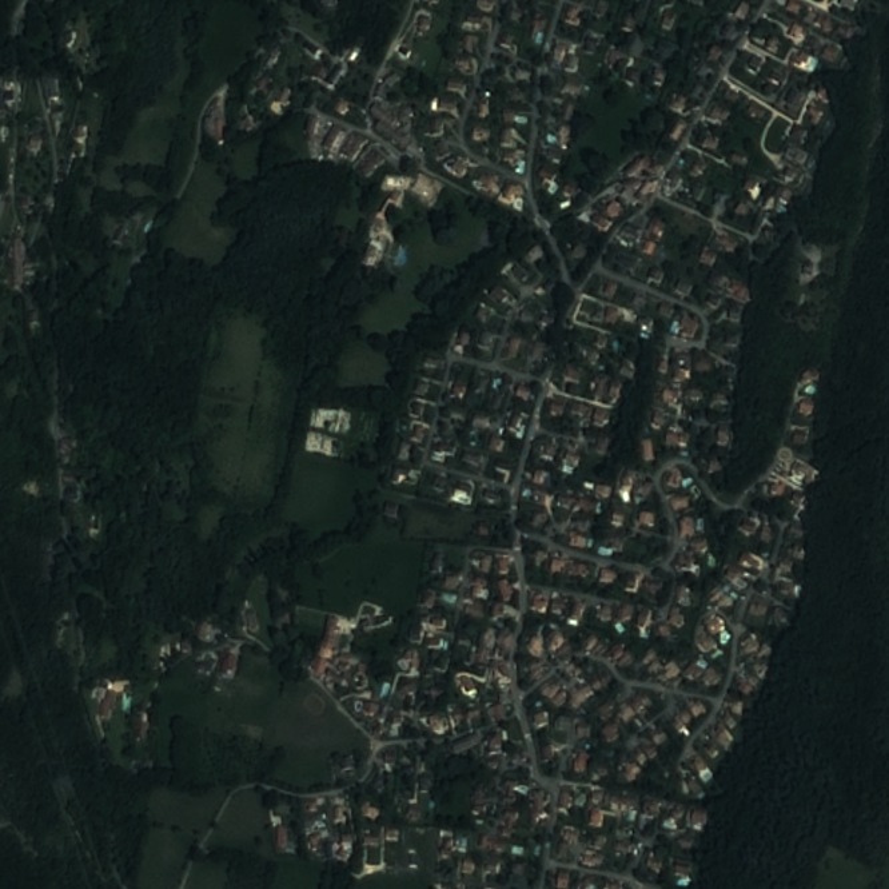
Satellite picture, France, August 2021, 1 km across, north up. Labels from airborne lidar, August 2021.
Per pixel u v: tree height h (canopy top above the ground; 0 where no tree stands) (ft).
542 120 25
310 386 75
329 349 78
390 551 0
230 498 32
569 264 19
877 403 70
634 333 22
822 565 46
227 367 0
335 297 82
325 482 0
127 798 23
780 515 26
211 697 0
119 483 39
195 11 21
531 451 19
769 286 31
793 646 50
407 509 36
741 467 33
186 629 60
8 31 40
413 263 0
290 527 25
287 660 26
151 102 34
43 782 27
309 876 0
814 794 35
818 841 73
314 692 0
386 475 26
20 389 29
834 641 68
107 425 97
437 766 23
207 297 51
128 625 59
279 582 35
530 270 27
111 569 60
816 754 45
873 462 66
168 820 0
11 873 62
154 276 83
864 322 67
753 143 37
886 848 42
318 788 35
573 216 31
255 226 70
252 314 57
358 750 22
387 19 20
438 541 20
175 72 35
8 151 0
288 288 80
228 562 31
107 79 48
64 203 29
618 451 32
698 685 24
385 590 0
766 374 28
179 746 56
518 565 0
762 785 49
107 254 47
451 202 22
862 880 0
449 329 66
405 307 0
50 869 31
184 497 27
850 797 47
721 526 37
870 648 55
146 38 31
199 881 0
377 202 71
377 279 70
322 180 67
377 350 45
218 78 0
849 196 25
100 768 42
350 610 0
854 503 54
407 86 48
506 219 65
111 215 36
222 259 0
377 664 26
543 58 28
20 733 53
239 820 0
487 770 49
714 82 31
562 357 55
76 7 56
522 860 29
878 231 70
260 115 25
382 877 0
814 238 32
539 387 40
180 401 41
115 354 75
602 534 40
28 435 46
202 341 30
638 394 40
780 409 26
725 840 31
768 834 54
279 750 31
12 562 51
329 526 0
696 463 31
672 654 22
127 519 37
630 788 24
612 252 28
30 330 24
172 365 64
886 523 63
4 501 32
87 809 42
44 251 39
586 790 17
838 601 70
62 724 37
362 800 70
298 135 0
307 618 0
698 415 38
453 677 35
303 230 79
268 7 55
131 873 43
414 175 49
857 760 59
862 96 22
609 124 0
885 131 50
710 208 28
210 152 39
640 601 27
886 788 70
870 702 77
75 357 62
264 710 0
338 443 24
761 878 44
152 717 47
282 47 22
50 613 50
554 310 18
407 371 79
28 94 0
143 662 31
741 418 41
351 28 40
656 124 62
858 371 61
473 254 0
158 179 67
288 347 19
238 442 0
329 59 22
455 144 0
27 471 40
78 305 67
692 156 25
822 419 46
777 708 49
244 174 0
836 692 63
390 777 51
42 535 47
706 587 25
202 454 54
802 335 26
